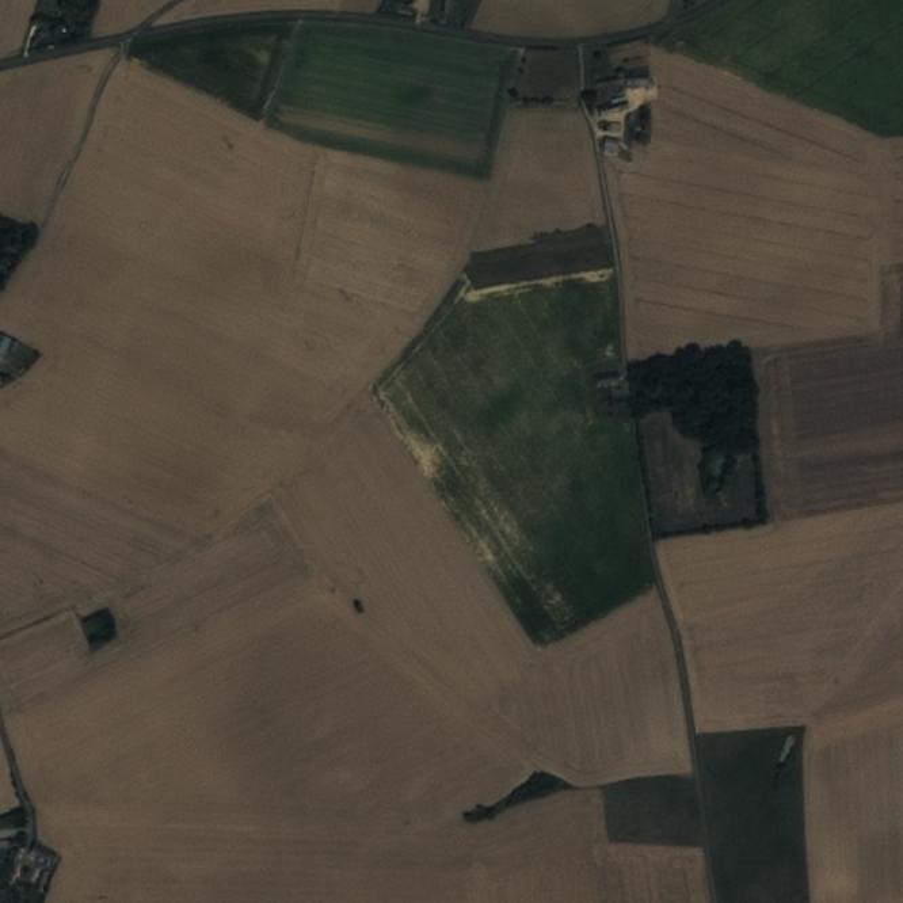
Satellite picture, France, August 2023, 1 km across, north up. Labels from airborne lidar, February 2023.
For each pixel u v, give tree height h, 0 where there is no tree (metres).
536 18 0
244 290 0
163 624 0
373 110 0
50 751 0
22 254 17
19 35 0
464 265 0
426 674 0
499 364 0
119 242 0
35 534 0
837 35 0
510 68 0
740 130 0
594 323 0
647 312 0
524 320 0
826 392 0
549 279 0
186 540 0
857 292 0
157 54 0
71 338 0
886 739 0
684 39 0
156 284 0
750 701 0
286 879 0
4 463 0
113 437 0
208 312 0
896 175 0
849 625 0
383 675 0
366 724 0
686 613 0
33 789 0
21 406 0
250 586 0
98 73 0
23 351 0
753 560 0
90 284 0
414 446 0
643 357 0
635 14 0
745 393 16
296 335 0
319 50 0
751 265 0
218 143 0
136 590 0
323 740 0
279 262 0
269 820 0
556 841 0
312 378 0
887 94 0
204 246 0
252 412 0
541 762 0
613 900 0
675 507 0
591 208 0
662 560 0
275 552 0
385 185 0
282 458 0
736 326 0
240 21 0
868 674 0
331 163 0
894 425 0
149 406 0
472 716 0
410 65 0
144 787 0
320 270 0
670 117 0
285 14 0
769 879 0
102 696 0
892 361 0
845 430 0
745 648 0
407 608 0
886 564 0
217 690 0
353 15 0
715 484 13
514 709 0
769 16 0
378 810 0
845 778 0
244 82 0
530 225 0
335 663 0
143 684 0
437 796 0
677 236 0
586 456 0
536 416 0
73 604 0
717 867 0
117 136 0
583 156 0
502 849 0
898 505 0
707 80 0
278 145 0
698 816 0
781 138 0
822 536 0
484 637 0
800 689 0
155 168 0
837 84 0
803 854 0
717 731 0
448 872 0
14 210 0
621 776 0
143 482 0
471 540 0
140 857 0
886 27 0
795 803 0
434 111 0
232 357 0
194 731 0
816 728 0
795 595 0
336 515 0
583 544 0
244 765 0
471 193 0
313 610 0
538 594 0
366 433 0
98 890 0
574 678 0
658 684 0
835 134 0
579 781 0
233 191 0
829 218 0
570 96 0
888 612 0
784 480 0
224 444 0
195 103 0
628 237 0
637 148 0
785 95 0
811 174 0
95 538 0
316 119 0
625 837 0
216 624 0
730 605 0
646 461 7
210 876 0
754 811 0
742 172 0
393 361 0
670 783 0
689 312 0
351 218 0
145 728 0
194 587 0
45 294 0
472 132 0
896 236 0
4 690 0
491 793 0
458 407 0
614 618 0
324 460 0
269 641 0
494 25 0
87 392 0
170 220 0
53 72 0
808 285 0
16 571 0
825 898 0
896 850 0
